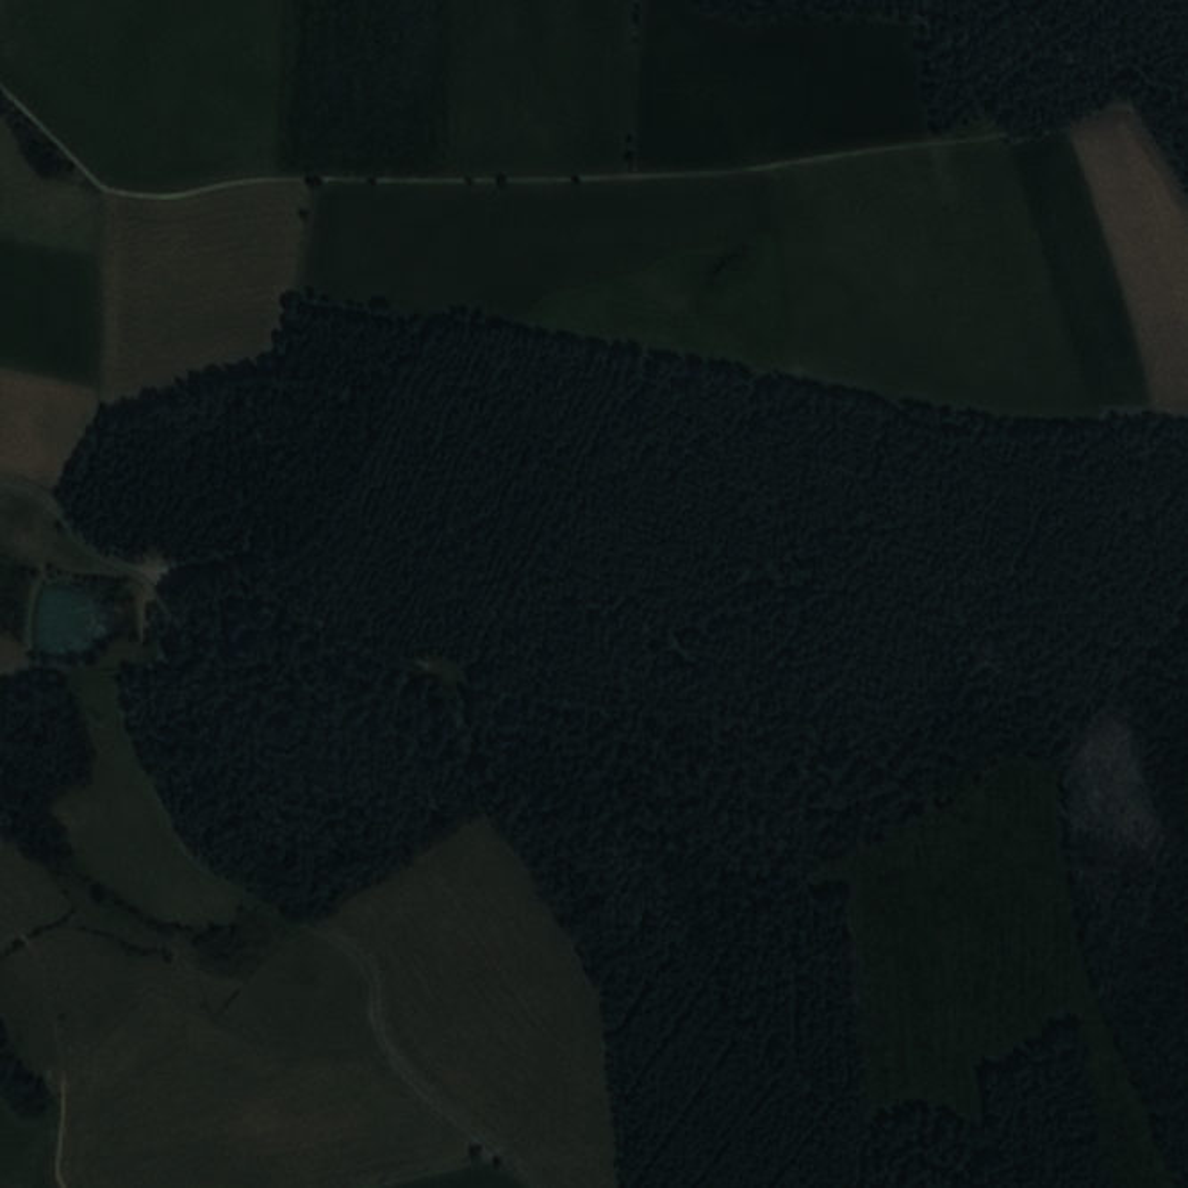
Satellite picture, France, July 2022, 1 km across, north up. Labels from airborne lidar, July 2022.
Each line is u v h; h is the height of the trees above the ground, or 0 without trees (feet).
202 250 0
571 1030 0
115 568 0
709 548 70
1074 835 64
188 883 0
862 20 39
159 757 85
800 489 67
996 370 0
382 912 0
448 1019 0
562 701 72
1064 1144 84
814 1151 48
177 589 93
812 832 67
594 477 68
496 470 76
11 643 0
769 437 70
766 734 19
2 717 79
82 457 58
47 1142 0
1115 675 54
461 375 76
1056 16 71
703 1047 54
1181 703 52
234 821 76
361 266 0
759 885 52
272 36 0
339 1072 0
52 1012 0
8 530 0
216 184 0
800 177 0
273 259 0
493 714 63
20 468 0
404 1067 0
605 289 0
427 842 50
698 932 56
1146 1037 70
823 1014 78
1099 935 58
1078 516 79
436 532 73
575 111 0
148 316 0
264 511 45
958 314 0
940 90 68
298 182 0
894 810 95
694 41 0
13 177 0
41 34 0
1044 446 75
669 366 71
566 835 76
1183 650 55
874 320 0
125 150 0
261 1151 0
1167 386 0
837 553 73
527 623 58
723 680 81
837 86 0
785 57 0
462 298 0
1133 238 0
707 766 51
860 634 87
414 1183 0
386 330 79
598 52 0
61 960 0
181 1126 0
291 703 67
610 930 75
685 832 51
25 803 82
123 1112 0
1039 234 0
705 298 0
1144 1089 63
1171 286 0
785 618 58
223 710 77
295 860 74
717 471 65
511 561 81
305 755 102
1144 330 0
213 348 0
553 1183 0
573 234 0
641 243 0
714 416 67
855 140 0
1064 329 0
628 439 71
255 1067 0
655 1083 51
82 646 0
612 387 80
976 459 64
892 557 73
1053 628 86
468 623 79
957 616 78
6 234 0
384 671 80
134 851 0
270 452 58
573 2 0
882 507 78
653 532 83
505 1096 0
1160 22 90
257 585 77
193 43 0
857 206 0
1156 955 64
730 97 0
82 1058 0
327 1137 0
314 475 69
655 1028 49
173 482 74
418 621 73
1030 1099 98
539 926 0
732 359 0
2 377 0
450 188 0
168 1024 0
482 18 0
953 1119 82
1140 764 69
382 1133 0
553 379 71
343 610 75
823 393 67
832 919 61
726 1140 40
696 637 84
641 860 73
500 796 46
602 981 48
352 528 73
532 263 0
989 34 67
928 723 82
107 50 0
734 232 0
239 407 72
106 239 0
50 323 0
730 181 0
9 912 0
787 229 0
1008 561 74
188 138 0
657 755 55
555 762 103
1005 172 0
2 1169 0
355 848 68
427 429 80
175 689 82
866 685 66
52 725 66
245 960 0
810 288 0
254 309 0
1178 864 67
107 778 0
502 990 0
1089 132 0
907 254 0
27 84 0
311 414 82
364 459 79
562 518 76
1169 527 80
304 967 0
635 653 76
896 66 0
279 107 0
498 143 0
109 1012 0
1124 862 69
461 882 0
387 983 0
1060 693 78
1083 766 76
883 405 58
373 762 91
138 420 83
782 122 0
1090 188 0
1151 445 78
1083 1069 87
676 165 0
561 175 0
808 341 0
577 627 67
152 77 0
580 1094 0
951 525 73
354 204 0
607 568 65
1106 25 74
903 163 0
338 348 73
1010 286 0
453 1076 0
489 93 0
